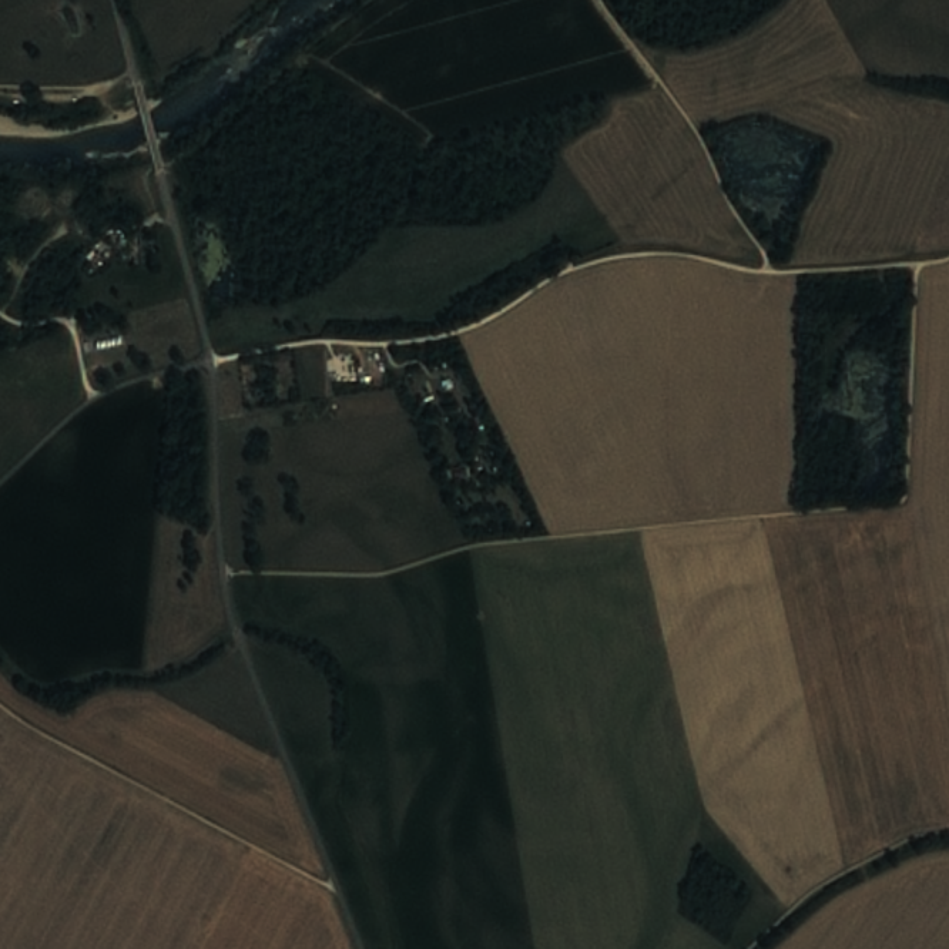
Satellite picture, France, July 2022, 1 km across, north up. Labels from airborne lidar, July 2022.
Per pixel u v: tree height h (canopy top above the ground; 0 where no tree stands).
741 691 0
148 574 0
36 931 0
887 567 0
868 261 0
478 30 0
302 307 0
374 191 11
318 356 0
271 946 0
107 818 0
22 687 13
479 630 0
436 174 6
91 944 0
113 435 0
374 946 0
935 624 0
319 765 0
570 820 0
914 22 0
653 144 0
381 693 0
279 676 0
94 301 0
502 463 17
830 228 0
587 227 0
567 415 0
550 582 0
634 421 0
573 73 0
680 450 0
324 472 0
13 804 0
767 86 0
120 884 0
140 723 0
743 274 0
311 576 0
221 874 0
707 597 0
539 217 0
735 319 0
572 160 0
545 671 0
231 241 8
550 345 0
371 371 0
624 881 0
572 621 0
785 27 0
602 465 0
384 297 0
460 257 0
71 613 0
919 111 0
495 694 0
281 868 0
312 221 12
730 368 0
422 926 0
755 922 0
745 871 0
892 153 0
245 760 0
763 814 0
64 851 0
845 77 0
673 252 0
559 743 0
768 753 0
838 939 0
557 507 0
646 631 0
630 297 0
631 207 0
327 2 0
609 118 0
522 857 0
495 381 0
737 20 8
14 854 0
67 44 0
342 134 14
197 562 14
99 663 0
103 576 0
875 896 0
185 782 0
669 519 0
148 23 0
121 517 0
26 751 0
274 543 0
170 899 0
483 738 0
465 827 0
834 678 0
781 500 0
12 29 0
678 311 0
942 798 0
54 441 0
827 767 0
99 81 0
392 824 0
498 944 0
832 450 8
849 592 0
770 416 0
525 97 0
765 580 0
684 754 0
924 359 0
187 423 15
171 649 0
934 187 0
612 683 0
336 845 0
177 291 0
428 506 0
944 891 0
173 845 0
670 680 0
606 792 0
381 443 0
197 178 7
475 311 14
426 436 13
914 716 0
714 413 0
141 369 15
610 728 0
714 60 0
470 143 11
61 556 0
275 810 0
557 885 0
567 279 0
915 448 0
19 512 0
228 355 0
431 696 0
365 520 0
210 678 0
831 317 6
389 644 0
